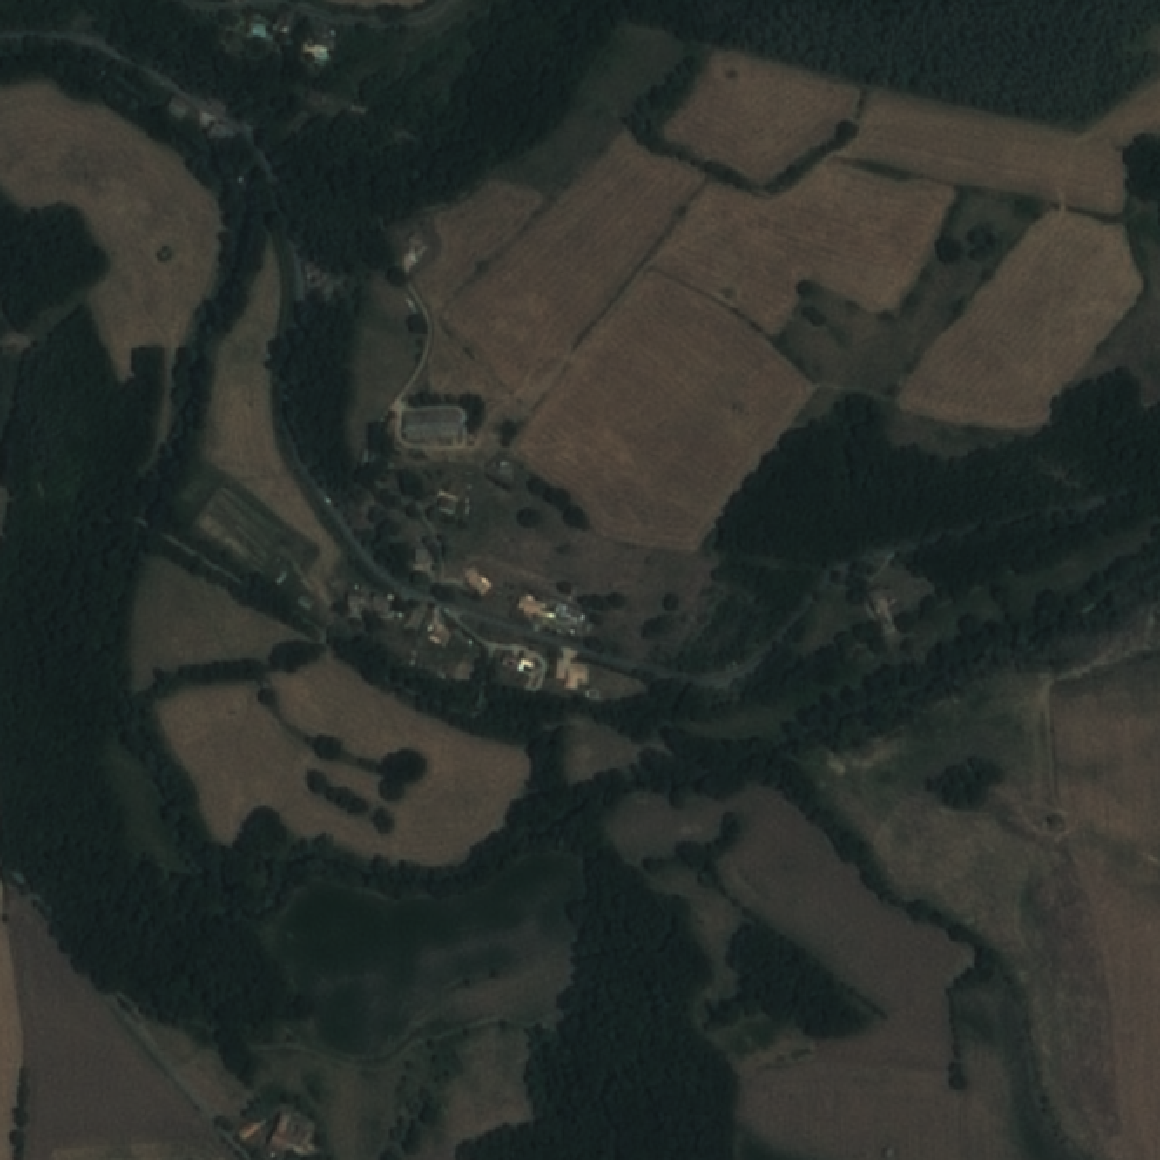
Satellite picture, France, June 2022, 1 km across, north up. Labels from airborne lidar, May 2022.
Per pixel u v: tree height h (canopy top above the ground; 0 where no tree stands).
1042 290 0
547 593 0
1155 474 17
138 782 0
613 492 0
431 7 7
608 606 14
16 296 13
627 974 21
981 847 0
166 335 0
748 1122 0
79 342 12
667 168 0
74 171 0
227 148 22
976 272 0
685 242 0
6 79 9
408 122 8
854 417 17
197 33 16
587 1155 25
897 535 17
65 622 27
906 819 0
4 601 17
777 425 0
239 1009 25
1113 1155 0
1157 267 0
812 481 15
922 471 15
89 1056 0
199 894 31
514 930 0
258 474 0
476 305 0
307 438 15
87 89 15
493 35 14
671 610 11
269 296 0
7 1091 0
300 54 6
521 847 17
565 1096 20
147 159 0
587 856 18
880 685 25
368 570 6
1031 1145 0
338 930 0
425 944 0
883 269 0
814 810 13
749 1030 0
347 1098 0
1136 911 0
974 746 0
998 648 20
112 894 27
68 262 12
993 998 0
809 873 0
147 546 22
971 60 23
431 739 0
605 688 0
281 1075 0
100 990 10
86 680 25
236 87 10
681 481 0
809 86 0
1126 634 0
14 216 13
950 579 16
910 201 0
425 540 11
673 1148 32
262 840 25
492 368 0
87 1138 0
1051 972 0
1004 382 0
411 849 0
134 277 0
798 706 0
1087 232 0
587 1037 25
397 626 0
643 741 19
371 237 14
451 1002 0
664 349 0
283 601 15
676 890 0
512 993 0
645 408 0
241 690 0
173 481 35
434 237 0
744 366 0
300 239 16
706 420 0
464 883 18
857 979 0
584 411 0
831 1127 0
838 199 0
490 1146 14
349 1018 0
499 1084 0
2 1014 0
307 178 29
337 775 0
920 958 0
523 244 0
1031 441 9
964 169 0
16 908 0
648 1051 21
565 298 0
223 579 14
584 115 0
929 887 0
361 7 7
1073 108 14
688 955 25
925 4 18
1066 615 25
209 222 0
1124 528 19
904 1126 0
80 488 15
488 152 14
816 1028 20
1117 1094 0
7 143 0
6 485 14
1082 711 0
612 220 0
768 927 8
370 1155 0
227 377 0
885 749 0
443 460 0
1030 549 20
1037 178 0
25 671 20
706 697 8
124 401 15
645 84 0
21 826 16
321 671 0
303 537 0
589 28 22
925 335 0
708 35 16
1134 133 0
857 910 0
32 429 14
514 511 0
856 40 24
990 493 14
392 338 0
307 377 19
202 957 24
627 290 0
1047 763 0
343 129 15
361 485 14
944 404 0
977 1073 0
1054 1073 0
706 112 0
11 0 21
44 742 19
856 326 0
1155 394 0
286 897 15
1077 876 0
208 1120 0
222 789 0
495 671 8
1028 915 0
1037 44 24
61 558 24
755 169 0
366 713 0
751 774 25
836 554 16
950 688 13
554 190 0
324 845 20
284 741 0
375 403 0
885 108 0
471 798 0
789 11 19
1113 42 17
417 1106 10
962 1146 0
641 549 0
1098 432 13
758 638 7
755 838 0
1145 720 0
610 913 23
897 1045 0
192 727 0
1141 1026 0
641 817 0
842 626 0
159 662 0
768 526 18
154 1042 0
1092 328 0
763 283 0
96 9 17
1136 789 0
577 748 0
